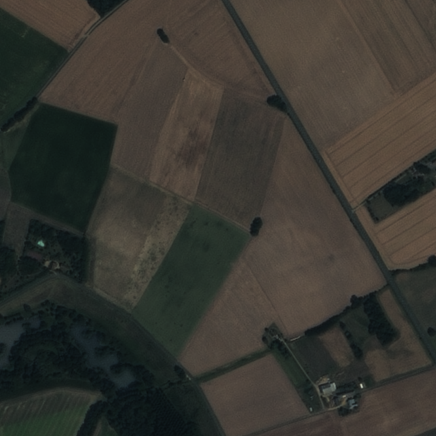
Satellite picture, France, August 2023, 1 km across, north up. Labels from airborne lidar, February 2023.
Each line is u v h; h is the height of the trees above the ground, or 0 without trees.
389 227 0
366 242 0
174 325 0
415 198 17
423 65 0
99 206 0
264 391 0
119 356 12
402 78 0
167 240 0
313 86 0
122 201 0
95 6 13
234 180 0
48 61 0
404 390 0
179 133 0
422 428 0
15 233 0
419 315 0
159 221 0
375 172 0
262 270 0
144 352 0
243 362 0
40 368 11
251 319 0
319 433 0
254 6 0
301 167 0
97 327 0
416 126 0
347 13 0
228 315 0
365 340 0
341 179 0
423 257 0
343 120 0
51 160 0
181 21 0
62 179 0
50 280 0
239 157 0
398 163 0
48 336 19
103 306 0
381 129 0
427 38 0
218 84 0
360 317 0
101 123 0
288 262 0
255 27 0
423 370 0
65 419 0
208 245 0
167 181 0
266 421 0
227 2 0
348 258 0
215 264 0
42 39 0
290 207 0
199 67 0
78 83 0
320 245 0
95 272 0
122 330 0
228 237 0
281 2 0
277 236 0
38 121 0
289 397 0
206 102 0
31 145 0
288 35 0
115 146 0
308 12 0
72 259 6
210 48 0
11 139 0
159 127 0
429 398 0
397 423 0
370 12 0
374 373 0
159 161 0
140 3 0
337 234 0
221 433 0
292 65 0
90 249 0
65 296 0
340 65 0
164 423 22
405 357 0
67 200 0
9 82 0
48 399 0
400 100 0
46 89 0
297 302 0
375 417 0
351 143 0
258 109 0
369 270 0
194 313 0
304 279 0
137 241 0
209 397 0
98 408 14
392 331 9
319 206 0
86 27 0
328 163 0
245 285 0
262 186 0
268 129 0
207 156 0
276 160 0
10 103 0
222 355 0
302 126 0
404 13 0
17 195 0
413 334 0
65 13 0
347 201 0
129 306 0
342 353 0
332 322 13
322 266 0
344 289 0
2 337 0
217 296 0
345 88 0
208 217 0
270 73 0
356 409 7
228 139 0
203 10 0
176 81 0
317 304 0
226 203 0
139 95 0
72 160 0
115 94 0
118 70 0
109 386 20
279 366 0
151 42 0
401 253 0
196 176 0
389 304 0
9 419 0
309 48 0
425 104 0
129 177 0
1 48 0
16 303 0
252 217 0
